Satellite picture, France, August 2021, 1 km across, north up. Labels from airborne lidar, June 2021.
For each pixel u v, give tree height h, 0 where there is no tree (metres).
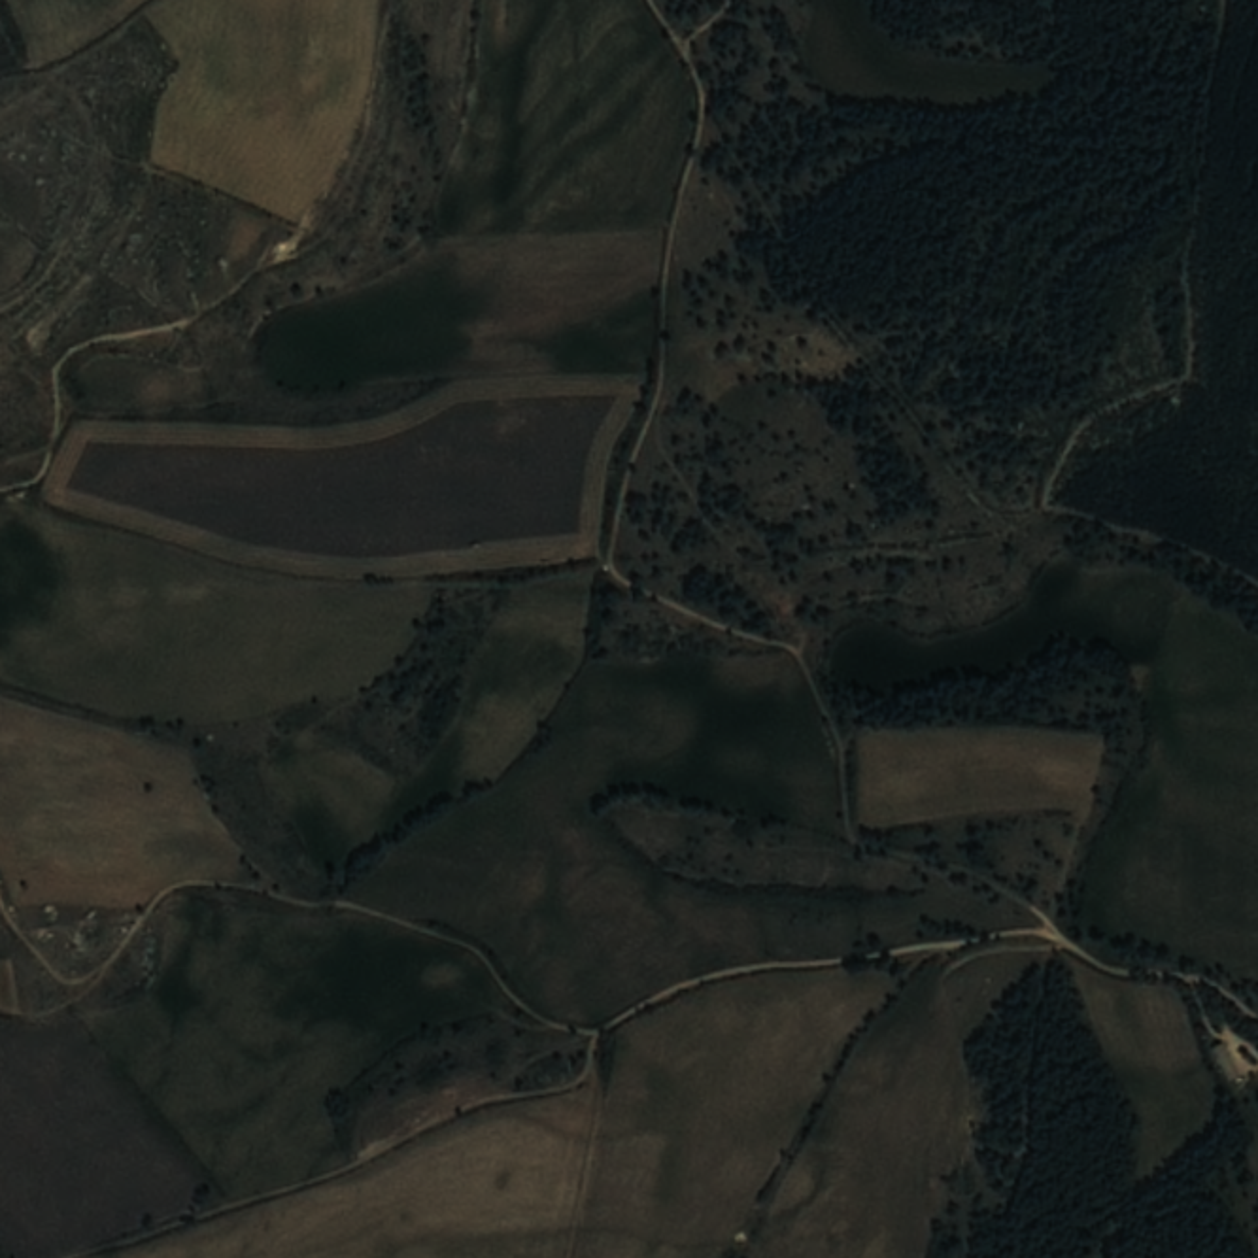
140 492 0
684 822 0
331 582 0
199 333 0
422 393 0
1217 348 5
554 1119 0
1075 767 0
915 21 13
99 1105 0
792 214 8
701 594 17
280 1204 0
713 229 0
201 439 0
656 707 0
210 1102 0
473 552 0
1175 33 6
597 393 0
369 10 0
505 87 0
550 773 0
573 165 0
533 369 0
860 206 15
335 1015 0
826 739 0
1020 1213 10
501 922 0
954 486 0
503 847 0
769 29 10
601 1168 0
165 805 0
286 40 0
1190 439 6
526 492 0
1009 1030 10
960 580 0
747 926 0
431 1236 0
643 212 0
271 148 0
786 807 0
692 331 0
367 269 0
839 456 0
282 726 6
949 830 0
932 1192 0
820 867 0
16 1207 0
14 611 0
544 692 0
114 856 0
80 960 0
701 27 0
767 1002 0
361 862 11
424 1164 0
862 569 10
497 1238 0
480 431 0
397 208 7
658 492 7
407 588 0
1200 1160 13
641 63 0
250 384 0
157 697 0
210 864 0
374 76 0
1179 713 0
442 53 0
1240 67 8
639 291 0
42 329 0
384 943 0
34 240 0
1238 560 8
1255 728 0
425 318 0
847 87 0
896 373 7
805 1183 0
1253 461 6
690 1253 0
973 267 6
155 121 0
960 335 8
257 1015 0
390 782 0
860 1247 0
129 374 0
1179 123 15
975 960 0
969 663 0
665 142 0
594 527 0
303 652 0
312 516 0
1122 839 0
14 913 0
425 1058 0
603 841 0
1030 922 0
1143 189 12
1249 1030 9
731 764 0
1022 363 13
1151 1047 0
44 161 0
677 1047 0
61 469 0
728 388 0
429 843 0
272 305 9
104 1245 0
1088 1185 16
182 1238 0
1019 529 0
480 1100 0
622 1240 0
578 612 0
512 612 0
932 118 20
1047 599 0
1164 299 11
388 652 0
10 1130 0
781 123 12
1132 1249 17
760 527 11
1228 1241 9
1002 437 12
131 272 0
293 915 0
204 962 0
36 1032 0
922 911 0
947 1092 0
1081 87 20
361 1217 0
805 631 0
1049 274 6
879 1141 0
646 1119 0
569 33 0
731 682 0
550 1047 0
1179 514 11
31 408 0
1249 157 9
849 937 0
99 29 0
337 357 0
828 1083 7
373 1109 0
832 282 16
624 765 0
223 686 0
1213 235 6
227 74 0
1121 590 0
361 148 0
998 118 11
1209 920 0
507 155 0
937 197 16
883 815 0
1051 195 8
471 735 0
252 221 0
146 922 0
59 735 0
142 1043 0
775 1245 0
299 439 0
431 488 0
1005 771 0
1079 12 18
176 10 0
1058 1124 14
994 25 12
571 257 0
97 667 0
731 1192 0
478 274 0
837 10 0
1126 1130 17
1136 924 0
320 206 0
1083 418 7
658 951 0
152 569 0
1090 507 8
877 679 0
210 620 0
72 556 0
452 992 0
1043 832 0
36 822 0
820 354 0
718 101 12
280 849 0
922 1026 0
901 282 12
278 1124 0
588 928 0
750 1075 0
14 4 0
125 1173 0
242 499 0
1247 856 0
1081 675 11
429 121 8
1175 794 0
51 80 0
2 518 0
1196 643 0
